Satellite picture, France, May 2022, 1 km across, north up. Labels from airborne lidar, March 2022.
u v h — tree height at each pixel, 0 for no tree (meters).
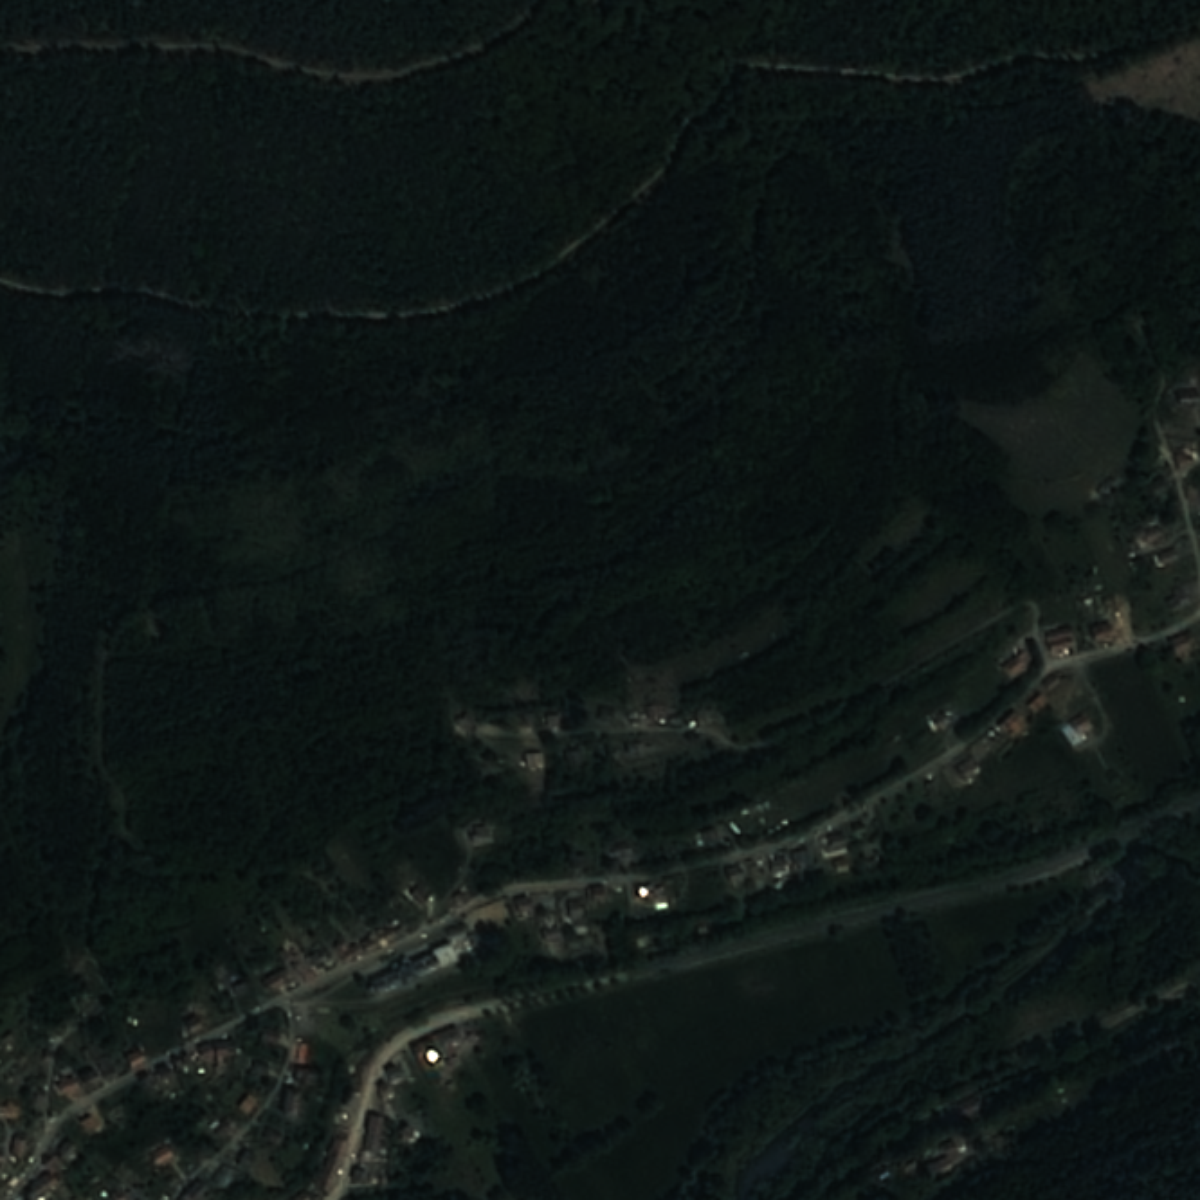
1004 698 7
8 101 14
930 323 24
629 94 12
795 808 0
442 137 13
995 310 21
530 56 13
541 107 14
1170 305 7
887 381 6
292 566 7
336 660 7
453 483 10
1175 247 11
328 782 16
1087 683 0
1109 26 16
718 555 16
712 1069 0
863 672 10
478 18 16
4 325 15
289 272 18
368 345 12
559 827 17
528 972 14
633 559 18
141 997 9
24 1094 9
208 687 11
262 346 17
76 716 9
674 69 27
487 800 16
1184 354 15
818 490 12
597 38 10
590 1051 0
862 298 16
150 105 13
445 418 21
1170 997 0
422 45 10
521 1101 0
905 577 18
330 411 17
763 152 17
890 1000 0
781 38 8
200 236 15
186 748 9
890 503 6
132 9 17
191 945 0
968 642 0
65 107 12
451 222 11
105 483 19
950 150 29
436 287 13
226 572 7
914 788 6
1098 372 0
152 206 11
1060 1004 0
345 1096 16
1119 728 0
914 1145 24
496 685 23
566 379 24
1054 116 25
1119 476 0
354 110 13
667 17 13
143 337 23
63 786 13
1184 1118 15
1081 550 0
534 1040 0
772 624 0
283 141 13
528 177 13
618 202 10
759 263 17
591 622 12
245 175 10
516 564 6
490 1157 0
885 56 13
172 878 17
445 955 0
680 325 20
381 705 9
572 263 7
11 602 0
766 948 0
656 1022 0
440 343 10
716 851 8
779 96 17
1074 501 0
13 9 16
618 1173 0
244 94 15
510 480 16
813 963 0
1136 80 0
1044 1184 17
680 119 18
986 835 13
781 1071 16
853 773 0
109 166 13
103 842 13
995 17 11
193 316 21
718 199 14
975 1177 12
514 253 17
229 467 18
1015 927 0
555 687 24
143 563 18
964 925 0
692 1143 0
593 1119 0
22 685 0
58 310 16
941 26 9
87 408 24
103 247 14
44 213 13
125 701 10
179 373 22
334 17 14
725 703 11
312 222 9
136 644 13
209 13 15
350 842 0
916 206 23
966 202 27
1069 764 0
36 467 24
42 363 17
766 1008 0
